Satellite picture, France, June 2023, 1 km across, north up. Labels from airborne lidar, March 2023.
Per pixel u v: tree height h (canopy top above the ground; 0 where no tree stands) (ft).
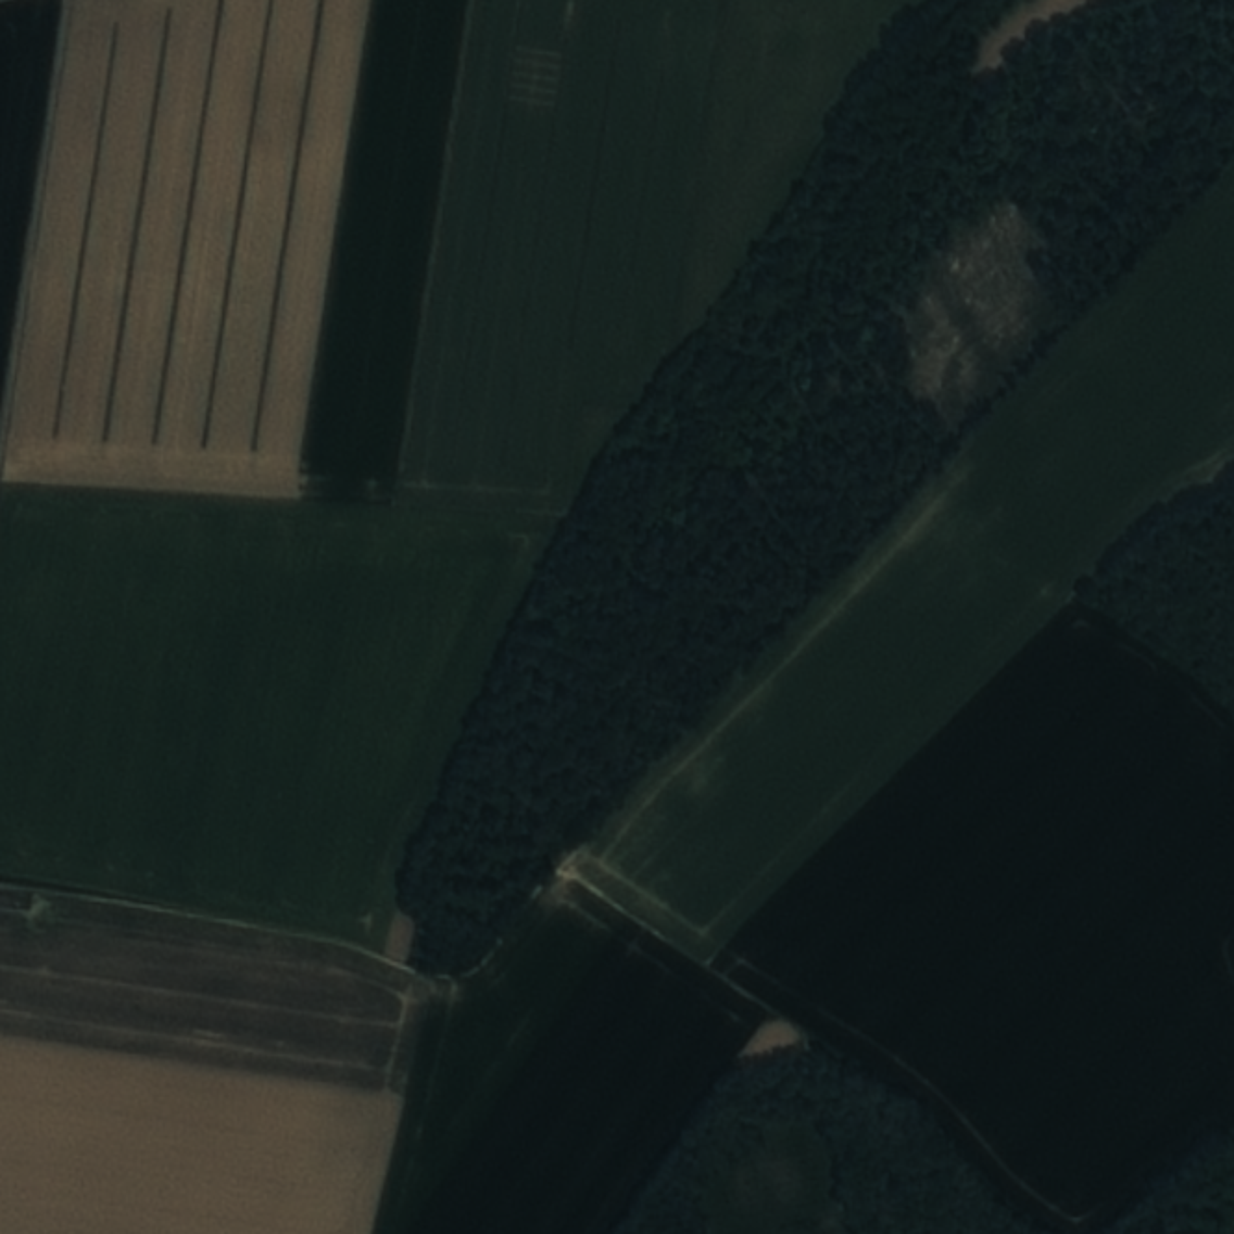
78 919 0
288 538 0
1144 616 68
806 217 66
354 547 0
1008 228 0
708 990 0
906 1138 85
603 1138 0
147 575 0
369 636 0
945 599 0
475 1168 0
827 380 77
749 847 0
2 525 0
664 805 0
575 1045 0
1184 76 60
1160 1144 0
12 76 0
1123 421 0
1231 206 0
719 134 0
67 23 0
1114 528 0
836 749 0
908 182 48
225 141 0
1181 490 0
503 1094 0
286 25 0
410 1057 0
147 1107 0
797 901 0
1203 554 49
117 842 0
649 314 0
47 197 0
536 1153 0
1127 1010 0
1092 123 46
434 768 0
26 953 0
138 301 0
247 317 0
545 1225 0
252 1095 0
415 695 0
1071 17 21
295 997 0
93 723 0
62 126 0
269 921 0
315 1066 0
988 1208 74
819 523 87
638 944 0
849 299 86
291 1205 0
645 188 0
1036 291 0
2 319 0
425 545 0
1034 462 0
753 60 0
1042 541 0
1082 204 62
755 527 79
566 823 60
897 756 0
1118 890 0
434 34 0
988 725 0
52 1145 0
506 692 52
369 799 0
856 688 0
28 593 0
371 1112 0
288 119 0
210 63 0
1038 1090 0
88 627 0
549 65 0
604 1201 0
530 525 0
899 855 0
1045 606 0
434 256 0
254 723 0
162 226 0
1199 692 0
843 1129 79
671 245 0
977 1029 0
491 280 0
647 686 94
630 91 0
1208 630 70
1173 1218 78
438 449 0
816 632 0
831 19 0
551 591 66
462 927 62
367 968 0
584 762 74
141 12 0
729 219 0
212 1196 0
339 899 0
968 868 0
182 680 0
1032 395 0
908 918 0
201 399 0
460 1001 0
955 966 0
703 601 95
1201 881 0
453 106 0
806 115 0
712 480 80
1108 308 0
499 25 0
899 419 65
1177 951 0
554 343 0
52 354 0
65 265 0
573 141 0
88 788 0
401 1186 0
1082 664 0
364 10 0
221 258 0
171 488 0
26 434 0
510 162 0
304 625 0
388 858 0
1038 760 0
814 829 0
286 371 0
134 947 0
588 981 0
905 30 71
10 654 0
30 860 0
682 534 78
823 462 68
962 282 0
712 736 0
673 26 0
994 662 0
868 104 67
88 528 0
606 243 0
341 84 0
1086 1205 0
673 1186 73
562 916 0
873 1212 91
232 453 0
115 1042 0
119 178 0
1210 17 33
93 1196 0
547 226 0
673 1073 0
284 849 0
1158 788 0
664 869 0
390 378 0
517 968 0
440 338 0
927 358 0
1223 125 62
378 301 0
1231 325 0
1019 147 66
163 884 0
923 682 0
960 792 0
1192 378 0
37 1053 0
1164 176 73
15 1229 0
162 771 0
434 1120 0
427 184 0
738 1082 65
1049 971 0
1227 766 0
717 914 0
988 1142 0
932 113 77
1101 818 0
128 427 0
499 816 59
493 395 0
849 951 0
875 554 0
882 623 0
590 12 0
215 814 0
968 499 0
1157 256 0
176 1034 0
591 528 67
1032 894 0
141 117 0
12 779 0
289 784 0
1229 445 0
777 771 0
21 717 0
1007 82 50
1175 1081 0
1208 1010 0
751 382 78
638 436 34
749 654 58
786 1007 0
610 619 94
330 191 0
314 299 0
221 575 0
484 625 0
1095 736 0
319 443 0
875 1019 0
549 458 0
